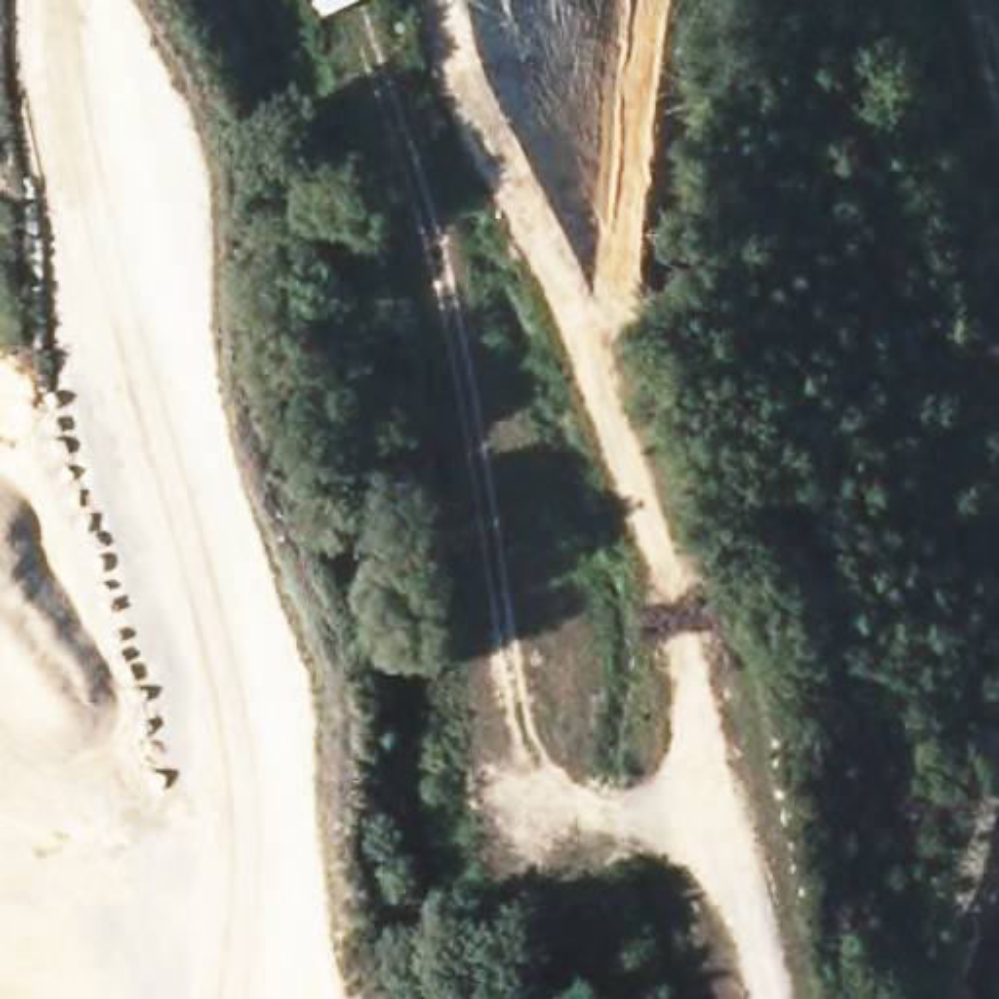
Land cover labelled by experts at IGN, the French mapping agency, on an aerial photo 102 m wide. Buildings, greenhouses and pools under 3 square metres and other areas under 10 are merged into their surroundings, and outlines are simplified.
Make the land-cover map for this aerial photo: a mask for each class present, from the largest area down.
<instances>
[{"label":"pervious surface","instance_id":"1","mask_svg":"<svg viewBox=\"0 0 999 999\"><path fill-rule=\"evenodd\" d=\"M23 137L31 172H43L47 180V211L55 230V332L62 347L59 379L66 390H74V402L59 406L39 379L20 375L16 359L0 355V999H363L343 995L336 964L343 940L355 929V917L359 890L347 882V839L363 796L359 765L367 714L359 710L355 683L347 679L328 663L312 609L293 578V562L281 554V535L265 523L261 496H254V488H242L230 421L219 394V367L230 355L234 297L226 285L211 277V183L203 148L191 113L183 98L172 90L160 55L148 43V23L133 0H16ZM445 12V31L453 39L445 70V90L457 101L460 121L472 125L488 148L476 164L496 183V211L507 219L511 230V258L531 261V273L539 277L550 300L566 355L574 363L578 390L601 441V457L617 496L628 503L632 531L648 558L652 601L663 605L683 597L695 585V574L691 558L671 542L648 460L620 406L617 371V340L640 316V281L652 293L667 285L656 246L644 250V222L659 230L667 211L679 203L671 144L691 121L675 66L663 62L671 0H437ZM968 47L960 62L968 82L964 105L983 117L987 133V152L979 156V168L987 172V183L999 187V0H944ZM437 293L457 289L460 273L457 234H445L437 238ZM667 671L675 683L671 749L659 773L640 780L636 788H617L609 780L578 784L566 769L550 761L542 734L535 726V699L523 675V648L515 644L484 659L468 675V706L476 710V769H468L464 788L468 812L492 816L500 831V839L492 843V870L500 878L523 874L531 866H550L558 878L570 882L581 874L609 870L632 855H659L683 866L702 890L695 898L691 937L695 944H710L714 960L695 979H687V987L675 999H792L773 901L765 894V862L753 839L745 792L738 788L726 765V738L714 710L699 636L683 632L667 640ZM995 796L979 800L964 851V874H983V866L999 874V769L991 773ZM948 999H999V913L983 929V940H968L960 948L952 987L944 991Z\"/></svg>","mask_w":999,"mask_h":999},{"label":"brushwood","instance_id":"2","mask_svg":"<svg viewBox=\"0 0 999 999\"><path fill-rule=\"evenodd\" d=\"M749 59H757L773 78V117L780 129V144L753 152L741 168L749 195L741 207L757 222L765 261L722 269L714 277L710 300L702 304V324L730 336V351L718 363L714 382L769 386L777 414L773 433L788 449L808 453L816 488L866 480L886 492V507L870 519L866 531H898L901 546L894 550V570L874 574V589L886 601H905V624L944 628L952 656V679L929 691L925 710H905L898 695H890L878 683L855 679L851 671L843 679L823 675L816 683L800 679L792 687L796 714L816 722L819 730V745L804 753V780L792 796L808 804V819L800 823L796 843L800 870L808 878V898L816 901L812 960L823 999H948L944 991L952 987L960 948L968 940H983V929L999 913V874L983 866V874H964V851L979 800L995 796L991 773L999 769V187L987 183V172L979 168V156L987 152V133L983 117L964 105L968 82L960 62L968 47L944 0H749ZM874 43H886L905 66L894 125H866L859 117L866 86L855 70V59ZM332 101L340 133L347 140L379 144L390 168L410 183L406 215L418 226V242L406 250V277H414L421 289L410 297H394L386 324L375 332L367 347L382 351L390 367L402 371L418 390L441 386L445 394L453 480L460 507V535L449 554H464L476 566L480 609L468 636V652L476 659H484L515 644L554 632L562 620L578 617L589 601L585 589H550V578L578 570L581 558L620 542L632 531L628 503L617 496L601 457L570 449V441L480 453V441L503 418L519 414L535 398V375L523 371L527 332L503 293L472 308H437V238L445 234L464 211H484L496 199V183L476 164L488 148L472 125L460 121L457 101L445 90V70L429 74L421 66L406 70L402 62H382L367 78L340 86L332 98H324L316 86L308 94L289 86L269 101V109L281 113L289 137H308L316 117L312 109ZM347 882L359 890L355 917L382 933L418 925L429 894L410 878V862L398 855L394 827L363 796L347 839Z\"/></svg>","mask_w":999,"mask_h":999},{"label":"deciduous trees","instance_id":"3","mask_svg":"<svg viewBox=\"0 0 999 999\"><path fill-rule=\"evenodd\" d=\"M183 23L199 27L195 39L203 43V62L211 78L222 86L230 109L246 121L238 129L242 164L238 187L230 195L234 203H242V211L211 238V277L226 285L234 297L230 355L219 367V394L230 421L242 488H254V496H261L265 523L281 535V554L293 562V578L312 609L328 663L347 679L363 663H375L386 675L429 679L441 663V652L460 663L476 659L468 652V636L480 609L476 566L464 554H449L460 535V507L453 480L445 394L441 386L418 390L402 371L390 367L382 351L367 347L375 332L386 324L394 297H410L421 289L414 277H406V250L418 242V226L406 215L410 183L390 168L379 144L347 140L340 133L332 101L312 109L316 117L308 137H289L281 113L269 109V101L289 86L308 94L316 86V70L300 47V16L312 4V0H176ZM749 0H671L663 62L675 66L691 121L671 144L679 203L667 211L659 230L644 222V250L656 246L667 285L652 293L640 281V316L617 340V371L620 406L648 460L671 542L691 558L695 574L714 578L734 601L753 609V640L761 644L777 683L784 691L792 687L800 679L816 683L823 675L843 679L851 671L855 679L878 683L890 695H898L905 710H925L929 691L952 679V656L944 628L905 624V601H886L874 589V574L894 570V550L901 546L898 531H866L870 519L886 507V492L866 480L816 488L808 453L788 449L773 433L777 414L769 386L714 382L718 363L730 351V336L702 324V304L710 300L714 277L722 269L765 261L757 222L741 207L749 195L741 168L753 152L780 144V129L773 117V78L757 59H749ZM855 70L866 86L859 117L866 125H894L905 66L886 43H874L855 59ZM702 890L683 866L659 855H632L609 870L581 874L570 882L558 878L550 866H531L523 874L500 878L472 882L464 874H453L441 890L429 894L418 925L382 933L379 999H675L687 987V979H695L714 960L710 944H695L691 937L695 898Z\"/></svg>","mask_w":999,"mask_h":999},{"label":"herbaceous vegetation","instance_id":"4","mask_svg":"<svg viewBox=\"0 0 999 999\"><path fill-rule=\"evenodd\" d=\"M55 230L47 211V180L43 172H31L23 137L16 0H0V355L16 359L20 375L39 379L59 406L74 402V390H66L59 379L62 347L55 332ZM148 23V43L160 55L172 90L183 98L191 113L203 148L211 183V238L242 211V203H234L230 195L238 187L242 164L238 129L246 121L230 109L222 86L211 78L203 62V43L195 39L199 27L183 23L176 0H133ZM300 47L316 70V86L324 98H332L340 86L367 78L382 62H402L406 70L421 66L429 74L445 70L453 39L445 31V12L437 0H351L347 8L328 16L312 4L300 16ZM445 234H457L460 273L457 289L437 293V308H472L503 293L527 332L523 371L535 375V398L519 414L503 418L480 441V453L570 441V449L601 457V441L578 390L574 363L566 355L550 300L539 277L531 273V261L511 258V230L507 219L496 211V199L484 211H464ZM585 589L589 601L578 617L562 620L554 632L515 644L523 648V675L535 699V726L542 734L550 761L566 769L578 784L609 780L617 788H636L640 780L659 773L671 749L675 683L667 671V640L683 632L699 636L714 710L726 738V765L738 788L745 792L753 839L765 862V894L773 901L792 999H823L812 960L816 901L808 898V878L800 870L796 843L800 823L808 819V804L792 796L804 780V753L819 745V730L816 722L796 714L792 687L784 691L777 683L761 644L753 640V609L734 601L714 578L695 574V585L683 597L663 605L652 601L648 558L632 531L620 542L581 558L578 570L550 578V589ZM484 659H476L460 663L441 652V663L429 679L386 675L375 663H363L347 679L355 683L359 710L367 714L359 765L363 796L394 827L398 855L410 862V878L429 894L441 890L453 874H464L472 882L500 878L492 870V843L500 839V831L492 816L468 812L464 788L468 769H476V710L468 706V675ZM382 933L355 917V929L343 940L336 964L343 995L363 999H379Z\"/></svg>","mask_w":999,"mask_h":999},{"label":"building","instance_id":"5","mask_svg":"<svg viewBox=\"0 0 999 999\"><path fill-rule=\"evenodd\" d=\"M312 4L328 16L347 8L351 0H312Z\"/></svg>","mask_w":999,"mask_h":999}]
</instances>
